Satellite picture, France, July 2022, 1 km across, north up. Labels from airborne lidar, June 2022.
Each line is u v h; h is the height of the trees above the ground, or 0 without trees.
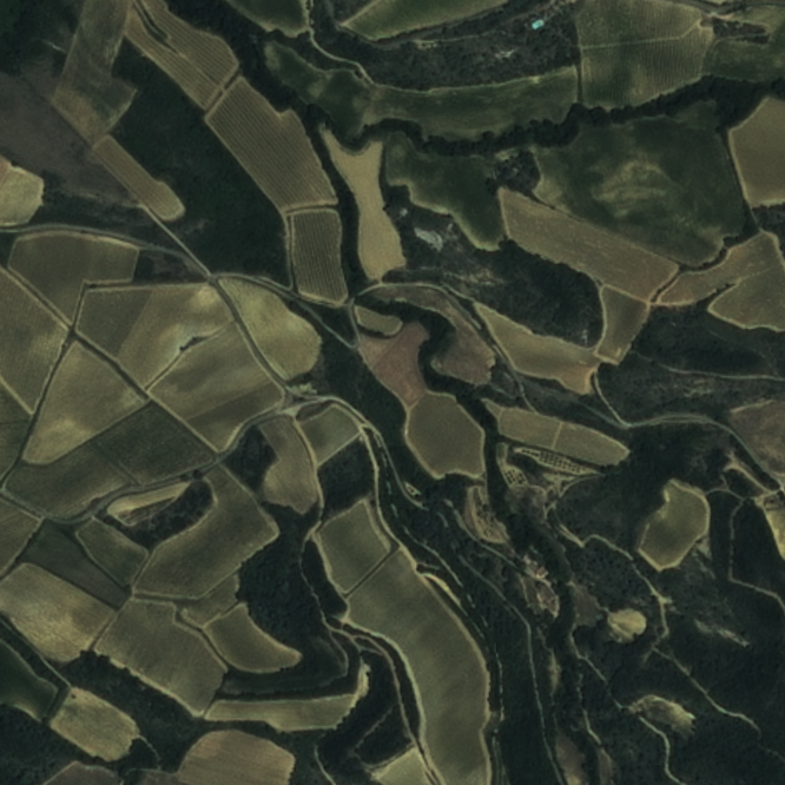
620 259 0
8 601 0
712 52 0
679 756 6
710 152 0
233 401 0
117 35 0
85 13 0
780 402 0
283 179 0
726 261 0
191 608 0
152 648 0
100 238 0
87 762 8
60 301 0
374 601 0
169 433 0
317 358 0
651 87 0
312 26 8
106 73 0
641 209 0
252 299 0
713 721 9
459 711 0
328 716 0
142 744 9
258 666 0
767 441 0
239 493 0
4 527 0
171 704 7
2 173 0
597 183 0
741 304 0
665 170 0
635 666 6
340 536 0
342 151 0
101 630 0
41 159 0
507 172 10
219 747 0
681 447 6
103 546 0
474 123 0
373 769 0
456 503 11
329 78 0
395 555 0
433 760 0
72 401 0
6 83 0
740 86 9
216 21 20
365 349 0
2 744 6
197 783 0
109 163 0
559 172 0
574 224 0
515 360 0
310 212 0
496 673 9
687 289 0
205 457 0
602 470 8
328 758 5
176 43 0
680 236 0
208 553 0
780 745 8
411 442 0
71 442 0
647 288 0
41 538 0
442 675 0
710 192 0
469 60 12
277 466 0
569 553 7
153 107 5
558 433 0
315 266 0
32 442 0
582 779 0
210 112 0
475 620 8
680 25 0
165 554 0
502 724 8
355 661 6
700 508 0
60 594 0
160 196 0
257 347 0
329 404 0
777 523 0
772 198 0
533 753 6
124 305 0
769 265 0
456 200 0
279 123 0
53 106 0
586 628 11
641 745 9
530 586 0
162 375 0
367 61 8
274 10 0
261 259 8
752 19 0
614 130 0
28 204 0
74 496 0
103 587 0
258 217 9
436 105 0
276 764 0
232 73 0
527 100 0
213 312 0
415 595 0
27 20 10
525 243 0
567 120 10
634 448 13
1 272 0
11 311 0
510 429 0
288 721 0
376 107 0
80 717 0
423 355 12
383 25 0
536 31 0
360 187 0
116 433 0
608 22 0
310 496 0
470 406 9
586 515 0
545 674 11
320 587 6
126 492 0
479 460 0
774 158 0
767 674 5
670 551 0
